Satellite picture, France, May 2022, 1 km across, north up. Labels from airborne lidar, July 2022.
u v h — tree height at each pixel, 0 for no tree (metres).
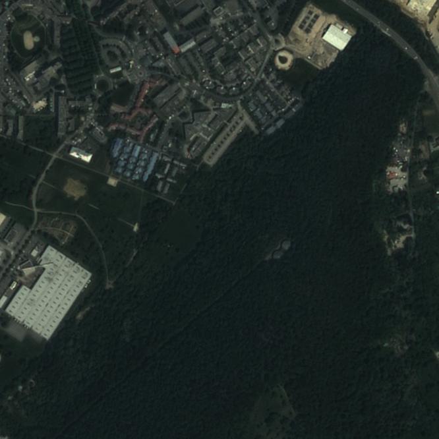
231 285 15
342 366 20
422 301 19
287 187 18
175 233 0
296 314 19
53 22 0
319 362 12
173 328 17
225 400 22
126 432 17
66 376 22
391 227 7
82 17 14
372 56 23
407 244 16
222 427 24
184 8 0
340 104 24
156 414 20
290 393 12
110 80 0
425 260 14
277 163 24
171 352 19
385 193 11
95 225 0
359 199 17
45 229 0
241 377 24
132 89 0
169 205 6
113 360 31
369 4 18
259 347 20
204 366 21
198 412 19
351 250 19
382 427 20
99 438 20
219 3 20
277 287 16
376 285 18
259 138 8
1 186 13
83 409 15
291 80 0
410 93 17
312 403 15
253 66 0
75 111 7
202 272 19
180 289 26
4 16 0
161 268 6
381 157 16
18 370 0
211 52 10
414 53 0
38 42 0
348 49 16
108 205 0
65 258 0
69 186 0
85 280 0
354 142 14
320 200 15
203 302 17
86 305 12
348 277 15
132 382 20
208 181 7
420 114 7
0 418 7
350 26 0
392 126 20
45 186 0
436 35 0
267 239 14
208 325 17
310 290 11
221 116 0
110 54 10
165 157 0
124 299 8
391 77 16
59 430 10
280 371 21
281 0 0
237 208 24
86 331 25
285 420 18
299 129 24
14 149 10
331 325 14
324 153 16
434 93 0
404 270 16
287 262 12
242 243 24
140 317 10
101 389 25
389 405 26
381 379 17
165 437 20
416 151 9
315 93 19
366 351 27
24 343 0
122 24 11
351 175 15
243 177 19
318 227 9
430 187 0
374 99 15
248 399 21
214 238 21
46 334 0
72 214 0
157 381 19
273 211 17
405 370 21
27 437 18
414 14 0
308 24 0
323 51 0
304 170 19
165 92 0
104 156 0
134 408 21
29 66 0
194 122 0
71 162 0
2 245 0
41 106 0
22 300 0
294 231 11
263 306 19
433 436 0
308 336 17
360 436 24
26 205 0
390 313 18
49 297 0
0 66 0
